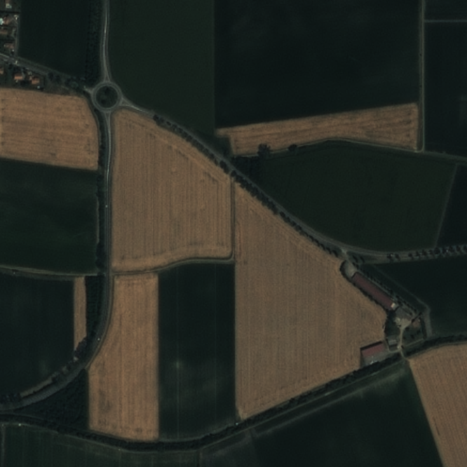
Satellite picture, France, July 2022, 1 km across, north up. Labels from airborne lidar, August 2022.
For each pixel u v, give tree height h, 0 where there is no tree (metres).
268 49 0
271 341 0
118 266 0
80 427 9
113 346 0
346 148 0
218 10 0
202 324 0
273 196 0
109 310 0
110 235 0
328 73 0
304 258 0
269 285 0
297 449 0
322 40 0
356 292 0
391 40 0
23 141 0
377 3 0
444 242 0
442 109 0
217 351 0
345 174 0
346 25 0
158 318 0
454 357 0
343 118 0
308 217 0
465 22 0
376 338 0
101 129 7
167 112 0
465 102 0
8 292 0
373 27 0
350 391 0
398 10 0
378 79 0
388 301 0
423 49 0
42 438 0
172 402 0
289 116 0
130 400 0
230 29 0
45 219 0
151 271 0
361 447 0
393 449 0
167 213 0
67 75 0
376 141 0
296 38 0
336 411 0
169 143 0
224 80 0
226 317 0
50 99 0
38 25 0
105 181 17
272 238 0
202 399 0
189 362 0
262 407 0
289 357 0
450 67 0
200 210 0
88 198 0
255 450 0
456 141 0
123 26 0
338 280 0
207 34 0
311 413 0
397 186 0
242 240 0
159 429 0
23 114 0
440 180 0
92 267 0
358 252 0
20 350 0
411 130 0
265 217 0
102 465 0
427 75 0
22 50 0
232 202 0
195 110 0
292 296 0
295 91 0
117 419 0
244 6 0
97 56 8
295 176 0
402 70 0
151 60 0
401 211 0
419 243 0
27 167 0
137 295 0
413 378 0
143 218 0
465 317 0
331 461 0
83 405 12
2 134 0
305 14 0
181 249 0
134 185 0
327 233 0
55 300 0
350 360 0
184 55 0
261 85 0
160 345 0
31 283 0
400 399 0
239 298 0
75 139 0
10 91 0
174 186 0
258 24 0
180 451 0
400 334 0
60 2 0
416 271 0
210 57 0
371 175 0
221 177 0
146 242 0
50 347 0
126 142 0
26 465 0
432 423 0
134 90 0
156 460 0
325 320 0
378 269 0
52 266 0
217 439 11
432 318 0
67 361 0
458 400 0
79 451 0
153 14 0
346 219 0
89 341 23
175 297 0
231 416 0
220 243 0
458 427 0
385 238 0
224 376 0
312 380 0
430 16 0
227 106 0
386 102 0
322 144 0
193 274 0
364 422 0
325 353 0
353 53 0
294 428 0
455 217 0
